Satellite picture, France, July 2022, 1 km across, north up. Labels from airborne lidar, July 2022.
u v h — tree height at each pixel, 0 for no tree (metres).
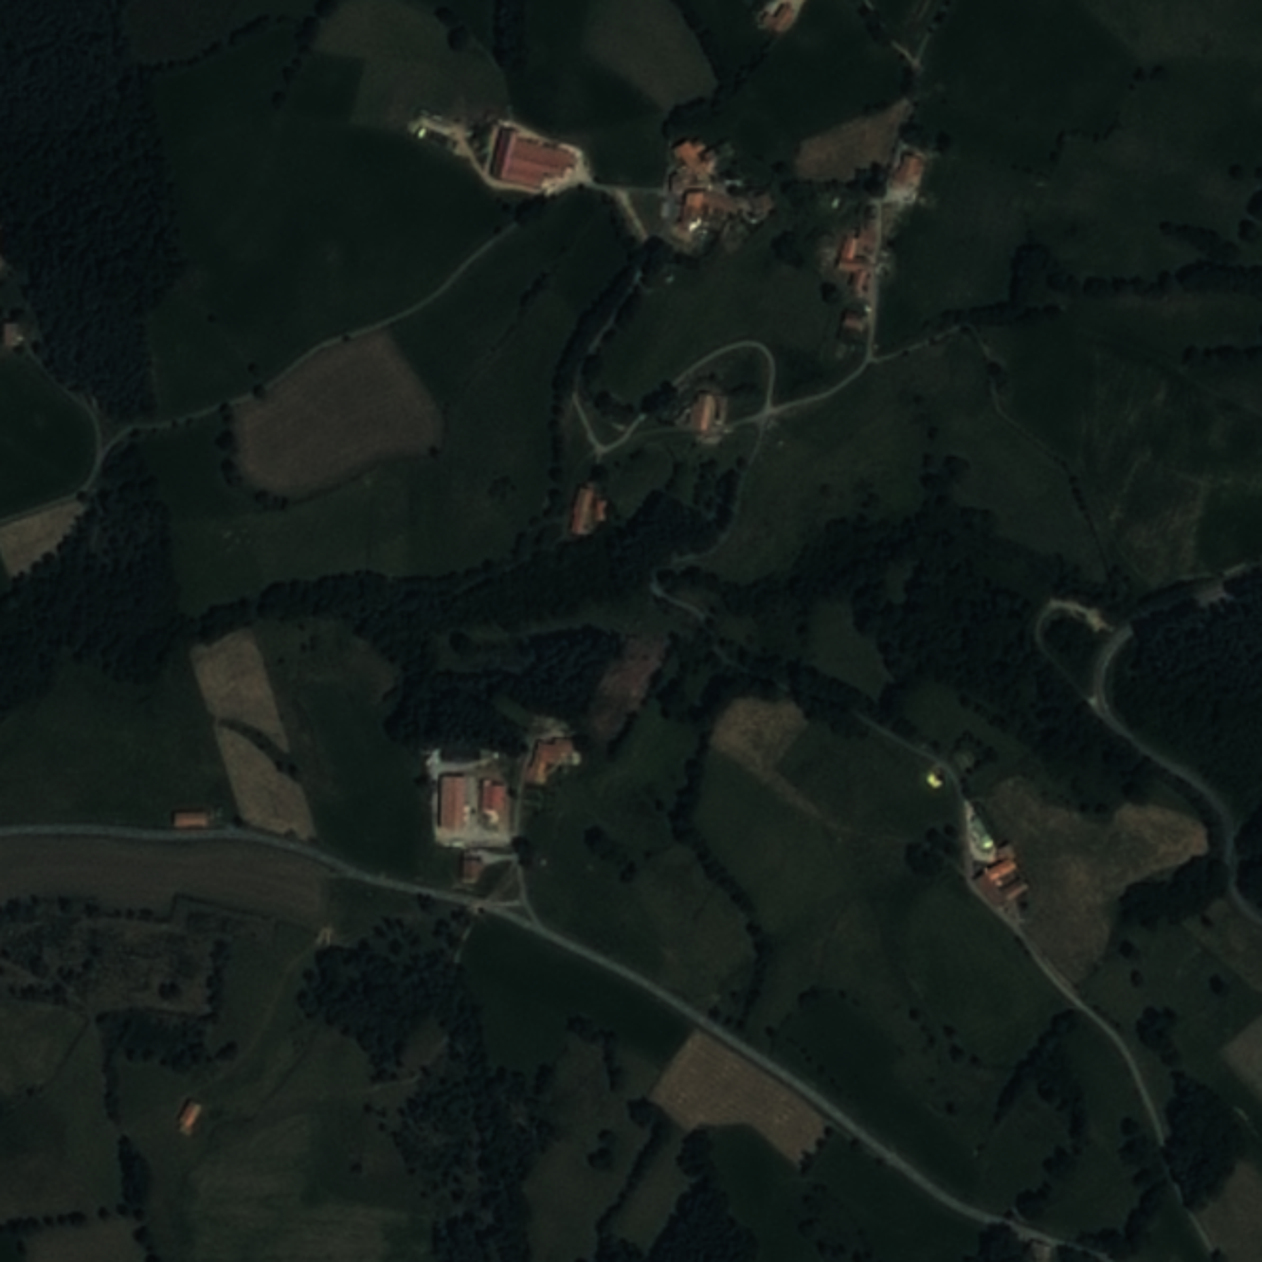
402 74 0
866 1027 0
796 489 0
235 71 0
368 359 0
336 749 0
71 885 0
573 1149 0
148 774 0
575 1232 0
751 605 16
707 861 15
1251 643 31
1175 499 0
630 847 0
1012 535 0
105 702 0
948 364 0
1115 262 0
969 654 18
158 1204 0
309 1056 0
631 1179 8
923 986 0
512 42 14
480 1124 16
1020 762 0
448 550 0
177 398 0
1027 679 10
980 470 0
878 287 0
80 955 0
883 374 0
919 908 0
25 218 16
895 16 0
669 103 0
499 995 0
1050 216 0
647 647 0
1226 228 0
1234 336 0
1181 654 32
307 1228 0
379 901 0
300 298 0
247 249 0
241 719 0
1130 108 0
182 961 0
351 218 0
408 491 0
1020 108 0
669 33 0
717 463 7
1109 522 0
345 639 0
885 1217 0
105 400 12
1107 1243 17
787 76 0
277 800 0
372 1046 17
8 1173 0
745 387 7
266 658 0
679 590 18
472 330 0
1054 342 0
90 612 14
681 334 0
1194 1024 0
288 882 0
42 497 0
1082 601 16
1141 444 0
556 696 24
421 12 0
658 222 0
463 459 0
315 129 0
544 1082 14
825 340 0
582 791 0
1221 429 0
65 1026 0
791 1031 0
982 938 0
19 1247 8
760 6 0
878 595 10
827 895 0
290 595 14
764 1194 0
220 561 0
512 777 0
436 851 0
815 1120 0
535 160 0
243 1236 0
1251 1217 0
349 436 0
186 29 0
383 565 0
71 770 0
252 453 0
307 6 0
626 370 0
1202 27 0
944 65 0
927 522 11
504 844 0
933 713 0
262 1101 0
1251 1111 0
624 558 30
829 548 7
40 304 14
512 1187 15
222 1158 0
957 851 9
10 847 0
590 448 0
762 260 0
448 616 13
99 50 17
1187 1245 0
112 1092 6
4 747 0
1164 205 0
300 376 0
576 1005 0
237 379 0
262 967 0
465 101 0
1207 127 0
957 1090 0
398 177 0
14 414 0
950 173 0
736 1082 0
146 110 16
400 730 15
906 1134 0
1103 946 0
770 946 20
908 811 0
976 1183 0
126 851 0
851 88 0
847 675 0
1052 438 0
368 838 0
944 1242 0
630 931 0
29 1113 0
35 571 10
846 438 0
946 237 0
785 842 0
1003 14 0
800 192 10
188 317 0
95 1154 0
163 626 11
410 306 0
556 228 0
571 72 0
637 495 0
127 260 18
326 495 0
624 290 14
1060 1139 0
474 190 0
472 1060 10
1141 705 9
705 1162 12
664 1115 16
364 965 19
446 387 0
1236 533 0
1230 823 0
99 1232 0
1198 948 0
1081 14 0
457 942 20
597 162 0
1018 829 0
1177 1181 16
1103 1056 0
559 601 17
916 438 0
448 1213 0
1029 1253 15
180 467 0
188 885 0
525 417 0
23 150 18
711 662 11
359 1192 0
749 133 0
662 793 0
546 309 0
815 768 0
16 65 19
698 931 0
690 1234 21
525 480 0
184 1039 6
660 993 0
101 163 16
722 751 0
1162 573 0
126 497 11
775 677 13
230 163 0
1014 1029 0
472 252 0
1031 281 16
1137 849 0
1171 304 0
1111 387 0
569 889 0
